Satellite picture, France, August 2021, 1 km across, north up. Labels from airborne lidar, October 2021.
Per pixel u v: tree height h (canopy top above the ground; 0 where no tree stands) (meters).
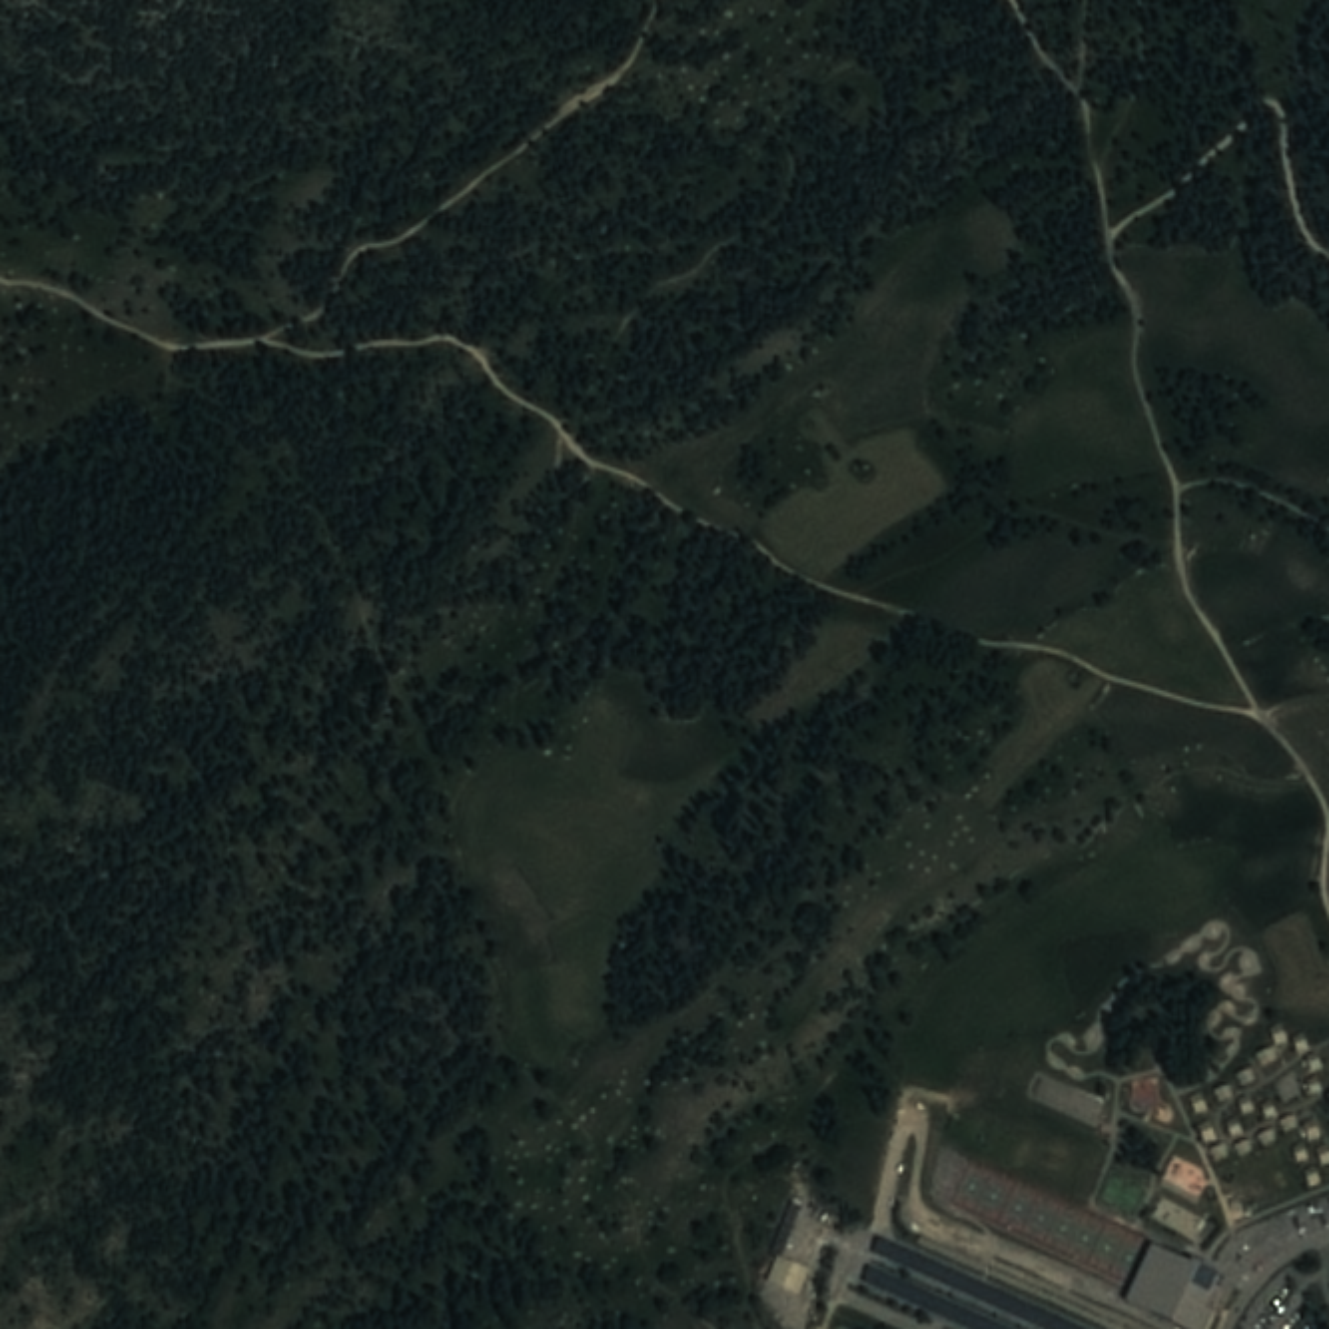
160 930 10
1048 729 0
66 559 14
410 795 23
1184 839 0
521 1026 0
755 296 13
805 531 0
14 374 0
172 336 0
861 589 0
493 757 0
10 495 22
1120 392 0
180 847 15
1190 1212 0
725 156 12
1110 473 0
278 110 11
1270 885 0
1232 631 0
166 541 8
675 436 10
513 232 9
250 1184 15
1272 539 0
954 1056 0
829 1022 0
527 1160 0
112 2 9
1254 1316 0
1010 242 0
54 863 6
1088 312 7
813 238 12
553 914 0
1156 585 0
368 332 11
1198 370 8
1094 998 0
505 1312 21
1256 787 0
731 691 16
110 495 13
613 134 8
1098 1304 0
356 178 11
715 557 11
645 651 15
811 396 0
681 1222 0
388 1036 12
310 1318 9
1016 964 0
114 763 6
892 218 11
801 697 0
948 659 21
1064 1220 0
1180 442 8
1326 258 11
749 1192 0
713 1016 6
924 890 0
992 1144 0
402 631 9
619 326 0
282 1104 21
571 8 13
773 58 0
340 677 10
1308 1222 0
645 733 0
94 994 9
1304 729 0
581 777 0
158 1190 10
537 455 0
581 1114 0
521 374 8
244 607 6
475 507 23
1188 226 13
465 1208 14
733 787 21
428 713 26
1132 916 0
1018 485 0
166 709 7
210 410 7
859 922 0
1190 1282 0
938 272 0
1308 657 0
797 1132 0
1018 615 0
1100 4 10
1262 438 0
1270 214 16
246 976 7
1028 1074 0
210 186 12
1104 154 0
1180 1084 24
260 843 13
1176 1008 23
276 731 16
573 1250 0
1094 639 0
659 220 7
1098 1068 0
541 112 12
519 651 0
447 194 9
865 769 10
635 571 11
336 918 14
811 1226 0
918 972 0
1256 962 0
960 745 8
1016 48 9
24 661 9
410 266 8
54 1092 8
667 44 8
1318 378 0
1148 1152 13
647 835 0
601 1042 0
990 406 0
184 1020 10
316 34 12
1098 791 0
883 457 0
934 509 8
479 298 12
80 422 8
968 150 8
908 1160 0
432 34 7
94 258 0
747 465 8
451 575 14
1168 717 0
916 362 0
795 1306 0
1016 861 0
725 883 14
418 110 11
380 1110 20
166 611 8
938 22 8
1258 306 0
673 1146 0
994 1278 0
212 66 14
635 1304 0
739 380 7
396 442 8
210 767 18
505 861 0
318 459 8
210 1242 14
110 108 8
